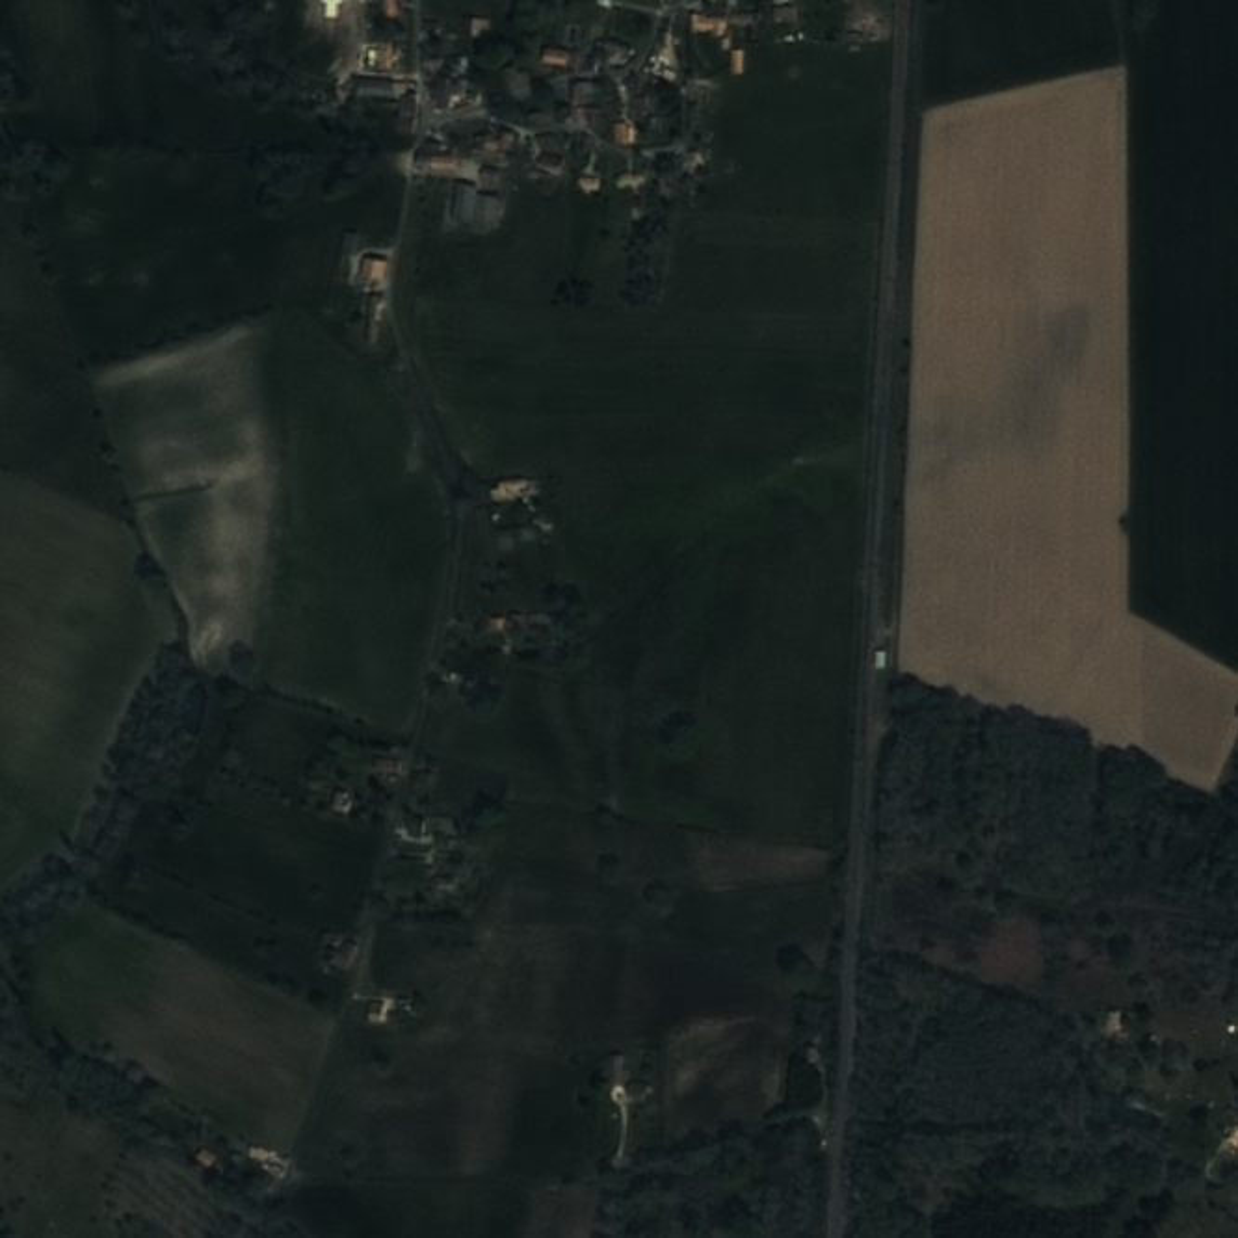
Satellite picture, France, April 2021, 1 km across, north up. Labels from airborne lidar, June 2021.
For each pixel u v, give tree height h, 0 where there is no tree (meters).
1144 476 0
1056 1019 19
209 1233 10
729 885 0
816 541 0
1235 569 0
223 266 0
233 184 0
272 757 0
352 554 0
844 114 0
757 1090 0
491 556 0
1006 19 0
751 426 0
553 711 0
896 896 0
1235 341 0
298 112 11
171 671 14
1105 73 0
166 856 0
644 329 0
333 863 0
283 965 0
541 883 0
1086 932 0
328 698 0
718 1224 17
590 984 0
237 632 0
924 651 0
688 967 0
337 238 0
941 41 0
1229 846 11
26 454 0
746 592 0
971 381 0
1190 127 0
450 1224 0
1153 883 0
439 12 0
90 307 0
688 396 0
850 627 0
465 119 0
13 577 0
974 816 6
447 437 0
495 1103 0
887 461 0
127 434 0
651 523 0
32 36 0
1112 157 0
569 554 0
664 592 0
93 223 0
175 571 0
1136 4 15
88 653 0
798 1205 9
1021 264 0
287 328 0
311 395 0
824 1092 9
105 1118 15
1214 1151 0
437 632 0
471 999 0
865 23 0
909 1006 13
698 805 0
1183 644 0
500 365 0
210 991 0
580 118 0
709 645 0
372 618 0
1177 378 0
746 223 0
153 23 0
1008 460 0
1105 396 0
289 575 0
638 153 8
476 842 16
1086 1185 22
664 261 11
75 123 0
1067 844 28
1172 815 15
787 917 0
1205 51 0
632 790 0
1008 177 0
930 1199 17
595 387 0
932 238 0
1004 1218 11
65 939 0
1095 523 0
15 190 18
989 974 0
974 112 0
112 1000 0
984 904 12
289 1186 0
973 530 0
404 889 0
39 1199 0
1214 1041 0
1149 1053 14
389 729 0
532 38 14
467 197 0
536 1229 0
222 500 0
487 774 0
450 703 16
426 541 0
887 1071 13
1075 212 0
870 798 0
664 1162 13
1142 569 0
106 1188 8
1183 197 0
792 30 7
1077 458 0
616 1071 0
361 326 8
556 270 0
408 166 0
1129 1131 8
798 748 0
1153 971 0
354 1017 0
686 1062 0
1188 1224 0
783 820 0
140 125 0
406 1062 0
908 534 0
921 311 0
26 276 0
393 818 0
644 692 0
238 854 0
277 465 0
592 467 0
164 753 35
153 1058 0
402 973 0
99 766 0
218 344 0
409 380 0
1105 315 0
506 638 7
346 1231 0
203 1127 14
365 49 0
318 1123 0
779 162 0
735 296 0
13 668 0
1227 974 13
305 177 9
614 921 0
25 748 0
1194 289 0
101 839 9
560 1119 0
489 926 0
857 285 0
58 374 0
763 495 0
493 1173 0
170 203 0
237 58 15
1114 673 0
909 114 0
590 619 19
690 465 0
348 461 0
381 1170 0
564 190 0
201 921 0
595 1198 0
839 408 0
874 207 0
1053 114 0
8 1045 19
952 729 23
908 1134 18
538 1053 0
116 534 0
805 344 0
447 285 0
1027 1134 13
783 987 0
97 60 0
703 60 0
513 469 0
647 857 0
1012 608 0
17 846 0
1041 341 0
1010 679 0
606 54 13
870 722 0
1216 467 0
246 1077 0
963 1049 27
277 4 0
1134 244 0
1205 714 0
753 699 0
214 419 0
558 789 0
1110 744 0
